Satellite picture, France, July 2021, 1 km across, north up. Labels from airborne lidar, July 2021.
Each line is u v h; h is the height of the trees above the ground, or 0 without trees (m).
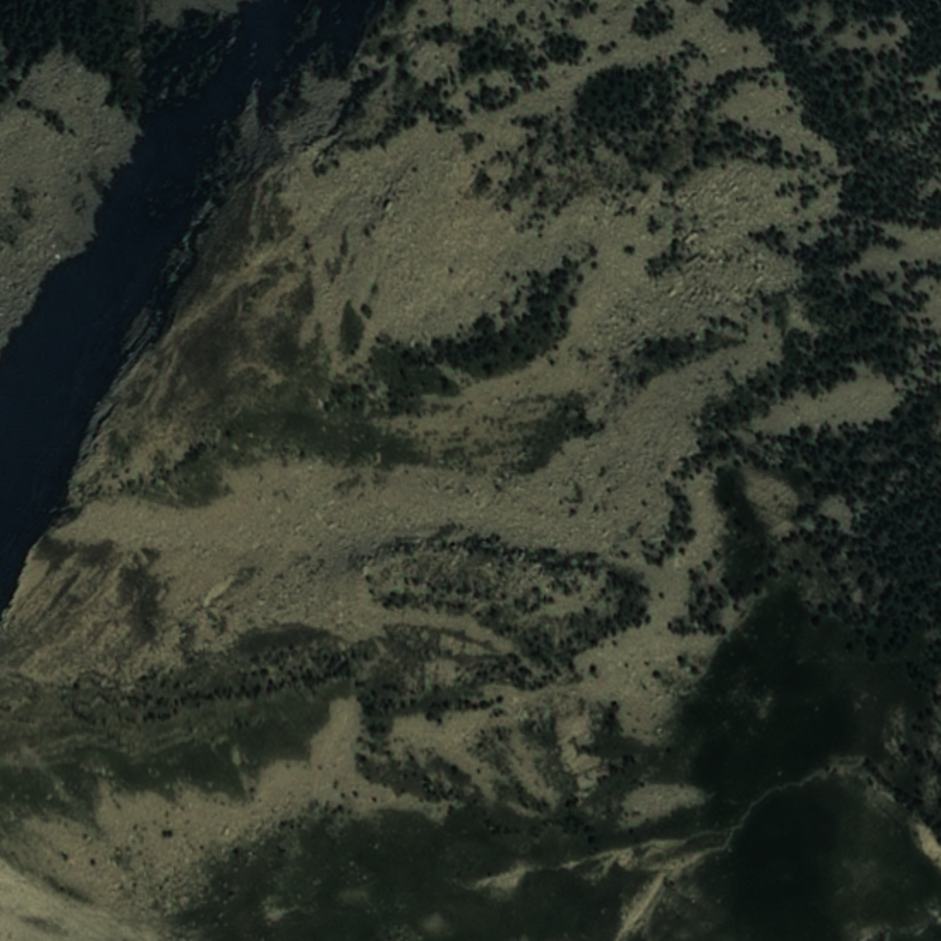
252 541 0
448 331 0
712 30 0
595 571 10
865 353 10
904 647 24
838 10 10
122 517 0
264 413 0
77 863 0
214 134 6
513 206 8
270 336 0
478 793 0
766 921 0
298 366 0
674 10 8
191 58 19
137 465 0
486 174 6
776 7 21
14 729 0
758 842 0
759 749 0
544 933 0
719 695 0
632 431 0
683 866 0
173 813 0
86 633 0
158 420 0
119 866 0
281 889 0
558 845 0
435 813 0
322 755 0
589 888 0
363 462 0
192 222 10
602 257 0
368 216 0
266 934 0
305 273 0
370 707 10
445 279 0
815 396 13
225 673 0
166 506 0
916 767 0
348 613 0
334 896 0
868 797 0
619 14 0
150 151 0
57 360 0
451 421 0
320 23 0
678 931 0
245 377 0
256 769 0
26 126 0
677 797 0
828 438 8
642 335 0
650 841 0
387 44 11
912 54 16
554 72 0
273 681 12
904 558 19
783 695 0
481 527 0
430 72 0
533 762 0
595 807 0
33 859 0
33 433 0
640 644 0
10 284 0
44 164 0
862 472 15
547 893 0
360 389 12
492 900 0
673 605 0
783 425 0
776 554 10
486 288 0
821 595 0
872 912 0
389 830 0
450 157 0
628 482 0
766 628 0
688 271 0
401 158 0
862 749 0
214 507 0
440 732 0
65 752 0
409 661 0
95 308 0
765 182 0
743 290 0
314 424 0
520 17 10
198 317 0
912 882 0
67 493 8
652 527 0
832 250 22
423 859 0
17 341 0
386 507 0
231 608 0
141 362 0
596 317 0
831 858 0
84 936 0
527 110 0
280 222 0
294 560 0
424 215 0
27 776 0
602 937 0
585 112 10
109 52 11
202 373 0
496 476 0
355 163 0
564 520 0
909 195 15
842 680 0
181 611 0
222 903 0
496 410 0
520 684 9
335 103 0
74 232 0
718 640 0
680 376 0
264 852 0
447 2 8
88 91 0
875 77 7
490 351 9
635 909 0
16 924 0
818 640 0
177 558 0
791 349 8
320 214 0
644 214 0
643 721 0
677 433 0
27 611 0
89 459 0
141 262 0
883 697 0
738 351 0
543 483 0
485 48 12
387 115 0
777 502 0
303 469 0
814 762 0
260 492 0
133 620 0
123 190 0
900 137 7
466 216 0
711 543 0
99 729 0
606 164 0
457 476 0
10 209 0
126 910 0
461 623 0
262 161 0
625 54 0
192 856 0
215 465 0
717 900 0
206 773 0
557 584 6
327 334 0
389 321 0
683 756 0
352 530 0
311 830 0
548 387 0
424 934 0
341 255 0
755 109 0
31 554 0
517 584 0
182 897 0
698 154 13
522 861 0
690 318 0
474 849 0
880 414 0
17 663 0
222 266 0
